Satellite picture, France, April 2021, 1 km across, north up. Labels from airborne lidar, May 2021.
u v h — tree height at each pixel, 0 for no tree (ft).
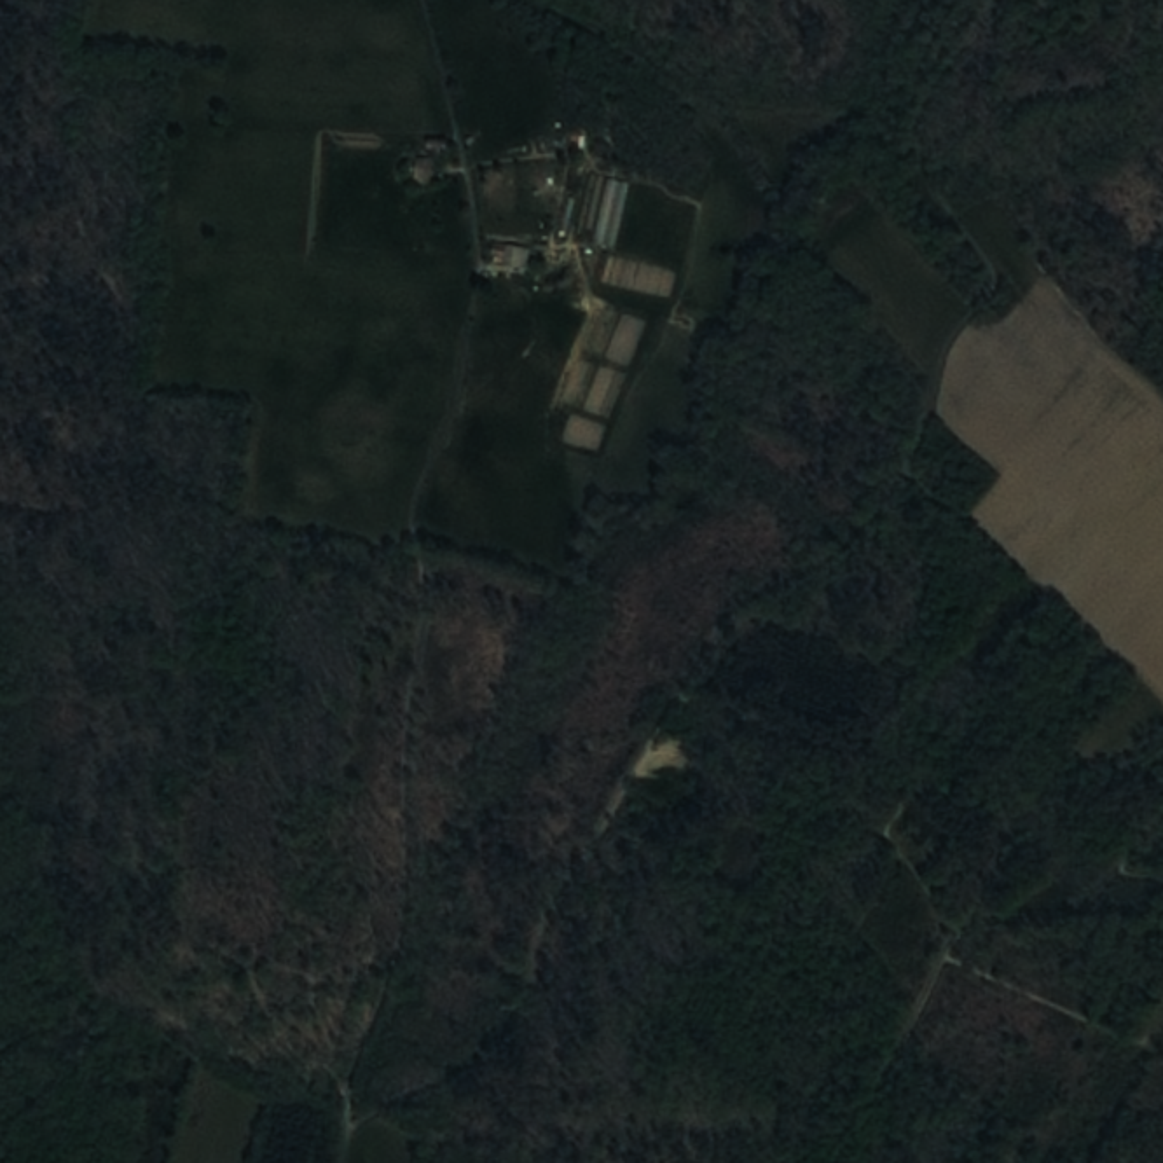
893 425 36
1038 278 0
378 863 38
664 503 73
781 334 65
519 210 0
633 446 0
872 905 83
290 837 54
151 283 50
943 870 56
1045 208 19
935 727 55
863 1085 62
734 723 57
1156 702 0
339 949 18
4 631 75
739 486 49
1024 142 54
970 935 40
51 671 60
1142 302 29
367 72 0
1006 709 61
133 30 0
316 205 0
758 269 68
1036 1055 19
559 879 58
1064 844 60
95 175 49
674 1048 39
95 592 49
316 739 60
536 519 0
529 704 63
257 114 0
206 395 51
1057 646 64
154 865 48
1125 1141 68
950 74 41
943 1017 34
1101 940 61
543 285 0
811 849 44
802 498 32
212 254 0
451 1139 39
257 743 52
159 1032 41
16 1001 90
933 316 0
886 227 0
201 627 60
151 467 71
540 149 0
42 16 42
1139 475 0
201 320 0
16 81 51
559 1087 31
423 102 0
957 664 43
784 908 38
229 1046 58
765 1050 36
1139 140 52
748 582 26
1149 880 49
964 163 56
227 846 22
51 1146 66
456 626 0
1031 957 32
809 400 57
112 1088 65
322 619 55
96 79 52
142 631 79
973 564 68
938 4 54
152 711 50
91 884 41
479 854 98
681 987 57
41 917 73
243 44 0
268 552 48
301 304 0
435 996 47
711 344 71
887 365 34
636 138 56
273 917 26
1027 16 41
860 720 68
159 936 62
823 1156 56
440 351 0
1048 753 59
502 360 0
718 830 87
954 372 0
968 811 68
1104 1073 23
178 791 52
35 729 32
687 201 0
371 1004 67
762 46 63
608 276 0
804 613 45
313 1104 44
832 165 64
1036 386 0
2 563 69
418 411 0
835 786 51
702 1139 66
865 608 91
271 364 0
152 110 49
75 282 37
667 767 0
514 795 26
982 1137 39
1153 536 0
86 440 55
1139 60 52
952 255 29
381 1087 64
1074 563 0
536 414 0
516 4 30
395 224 0
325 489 0
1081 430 0
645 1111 34
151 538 66
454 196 0
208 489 62
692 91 51
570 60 28
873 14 64
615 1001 46
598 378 0
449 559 63
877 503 68
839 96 49
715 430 71
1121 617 0
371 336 0
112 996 48
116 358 76
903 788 57
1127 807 59
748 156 27
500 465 0
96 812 43
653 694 32
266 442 0
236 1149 0
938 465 35
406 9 0
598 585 71
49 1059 70
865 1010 71
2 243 64
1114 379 0
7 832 75
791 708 63
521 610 43
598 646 52
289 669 59
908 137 68
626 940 38
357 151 0
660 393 0
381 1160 0
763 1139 44
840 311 86
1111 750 0
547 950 19
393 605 54
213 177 0
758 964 50
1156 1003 57
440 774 61
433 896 70
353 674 61
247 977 47
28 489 26
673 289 0
